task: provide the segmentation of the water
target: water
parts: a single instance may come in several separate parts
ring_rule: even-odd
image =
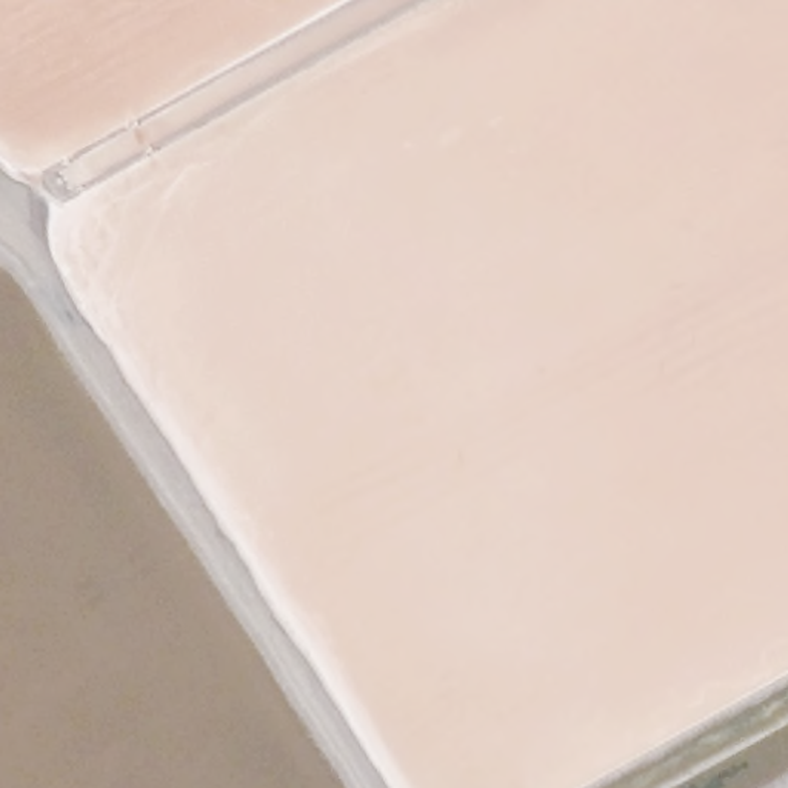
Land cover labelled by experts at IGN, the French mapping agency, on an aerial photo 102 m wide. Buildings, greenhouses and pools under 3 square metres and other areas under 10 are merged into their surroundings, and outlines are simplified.
[[[89,172],[102,169],[105,182],[77,194],[74,200],[58,200],[49,206],[49,249],[65,277],[65,286],[74,296],[80,314],[99,332],[99,339],[114,351],[123,376],[129,379],[148,412],[157,419],[157,425],[175,446],[197,489],[215,511],[222,529],[234,539],[237,551],[249,563],[262,594],[268,597],[280,622],[289,628],[292,640],[305,649],[305,656],[323,677],[326,690],[348,717],[369,760],[385,776],[388,788],[653,788],[788,711],[788,0],[354,0],[336,9],[332,15],[314,22],[311,28],[274,43],[271,49],[262,49],[231,68],[222,68],[219,62],[243,52],[246,46],[265,40],[268,34],[286,28],[289,22],[308,15],[311,9],[329,0],[0,0],[0,166],[12,179],[40,175],[49,166],[55,166],[62,169],[68,185],[86,182]]]
[[[71,369],[68,357],[58,351],[34,302],[9,271],[0,268],[0,788],[345,788],[329,757],[320,751],[311,730],[286,699],[265,656],[228,606],[228,600],[222,597],[219,585],[209,579],[197,551],[175,526],[169,511],[160,505],[148,477],[139,471],[135,459],[126,452],[123,440],[99,409],[99,403],[89,397],[77,372]]]
[[[739,757],[720,763],[717,770],[686,782],[683,788],[788,788],[788,726],[763,739],[760,745],[742,751]]]

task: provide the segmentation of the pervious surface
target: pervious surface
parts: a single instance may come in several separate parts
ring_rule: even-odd
[[[788,711],[653,788],[683,788],[686,782],[717,770],[720,763],[739,757],[742,751],[760,745],[763,739],[788,726]]]
[[[329,0],[311,9],[308,15],[289,22],[286,28],[268,34],[265,40],[246,46],[243,52],[219,62],[222,68],[231,68],[262,49],[271,49],[274,43],[311,28],[314,22],[332,15],[336,9],[354,0]]]
[[[219,585],[222,597],[228,600],[228,606],[265,656],[286,699],[311,730],[320,751],[329,757],[345,788],[388,788],[385,776],[369,760],[348,717],[326,690],[323,677],[305,656],[305,649],[292,640],[289,628],[280,622],[268,597],[262,594],[249,563],[237,551],[234,539],[222,529],[215,511],[197,489],[175,446],[157,425],[157,419],[148,412],[129,379],[123,376],[114,351],[99,339],[99,332],[80,314],[74,296],[65,286],[65,277],[49,249],[49,206],[58,200],[74,200],[77,194],[105,182],[102,169],[89,172],[86,182],[68,185],[62,169],[55,166],[49,166],[40,175],[12,179],[0,166],[0,268],[9,271],[34,302],[58,351],[68,357],[71,369],[77,372],[89,397],[99,403],[99,409],[123,440],[126,452],[135,459],[139,471],[148,477],[160,505],[169,511],[175,526],[197,551],[209,579]]]

